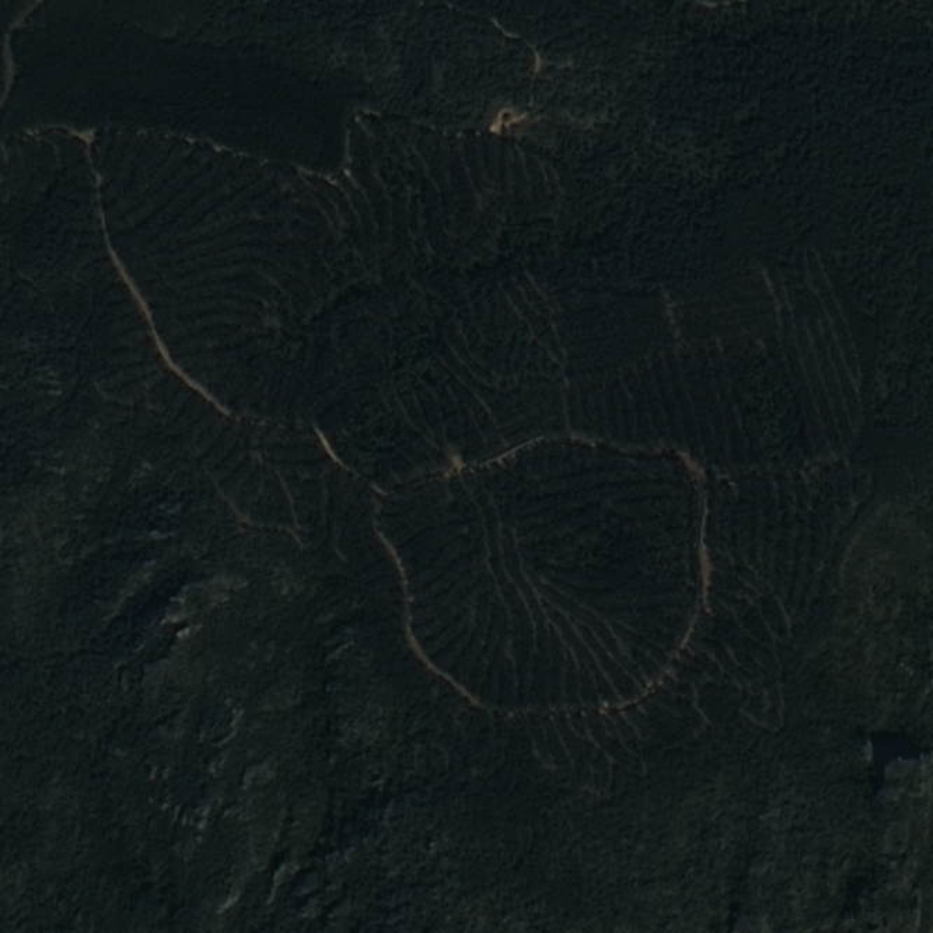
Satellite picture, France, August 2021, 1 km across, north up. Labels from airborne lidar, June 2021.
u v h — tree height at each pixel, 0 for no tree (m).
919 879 9
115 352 11
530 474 12
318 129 14
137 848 8
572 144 8
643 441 20
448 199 20
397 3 9
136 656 7
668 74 8
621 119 9
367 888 9
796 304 13
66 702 11
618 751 17
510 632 13
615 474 18
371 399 19
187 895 14
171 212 16
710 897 8
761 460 19
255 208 18
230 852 7
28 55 19
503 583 13
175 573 12
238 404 18
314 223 20
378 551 14
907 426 12
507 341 14
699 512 15
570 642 15
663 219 13
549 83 7
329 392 20
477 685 16
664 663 16
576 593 13
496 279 21
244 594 8
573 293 17
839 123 10
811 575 16
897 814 7
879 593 9
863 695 7
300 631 12
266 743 7
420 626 14
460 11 6
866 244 9
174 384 15
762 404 18
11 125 15
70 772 9
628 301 19
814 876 12
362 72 7
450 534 15
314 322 13
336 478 19
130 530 11
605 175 8
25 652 8
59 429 8
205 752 9
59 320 10
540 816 9
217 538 11
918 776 8
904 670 9
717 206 16
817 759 9
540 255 23
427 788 11
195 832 6
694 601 18
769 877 9
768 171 8
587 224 14
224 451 13
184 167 17
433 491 18
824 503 17
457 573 15
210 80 18
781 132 11
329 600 7
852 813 8
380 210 19
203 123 17
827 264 14
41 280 8
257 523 12
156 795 11
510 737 18
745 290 20
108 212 15
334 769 8
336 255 15
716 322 18
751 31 11
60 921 10
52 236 13
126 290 11
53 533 6
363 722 6
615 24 13
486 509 11
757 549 21
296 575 8
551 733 18
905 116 12
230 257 17
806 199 15
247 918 12
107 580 7
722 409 21
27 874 7
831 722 7
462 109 7
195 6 9
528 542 13
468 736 11
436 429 19
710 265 13
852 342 14
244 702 7
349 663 8
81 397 8
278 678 8
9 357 9
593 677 16
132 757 8
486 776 15
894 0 10
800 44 16
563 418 18
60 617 9
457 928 7
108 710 7
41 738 9
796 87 13
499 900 7
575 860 5
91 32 16
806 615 15
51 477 11
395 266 21
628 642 16
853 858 11
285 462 14
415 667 12
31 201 11
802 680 7
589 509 16
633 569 20
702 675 18
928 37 15
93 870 8
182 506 7
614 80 11
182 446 12
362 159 20
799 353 16
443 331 22
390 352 20
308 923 8
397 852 7
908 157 11
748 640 18
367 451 21
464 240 17
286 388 22
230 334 19
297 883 15
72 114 17
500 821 10
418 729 9
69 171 18
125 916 10
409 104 11
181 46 15
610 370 18
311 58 11
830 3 14
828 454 20
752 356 16
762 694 13
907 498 8
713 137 10
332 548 16
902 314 6
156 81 14
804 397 21
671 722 14
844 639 9
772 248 13
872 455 17
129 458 9
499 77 6
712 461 20
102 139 15
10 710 7
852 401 16
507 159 20
